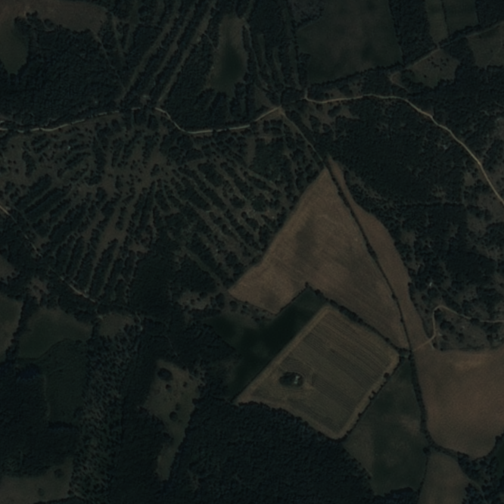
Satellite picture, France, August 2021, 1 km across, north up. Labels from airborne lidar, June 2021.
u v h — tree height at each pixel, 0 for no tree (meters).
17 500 0
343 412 0
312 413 0
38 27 10
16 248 10
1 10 0
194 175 11
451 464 0
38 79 11
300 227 0
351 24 0
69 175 0
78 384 0
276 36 9
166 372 14
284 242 0
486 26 11
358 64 0
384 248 0
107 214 11
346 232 0
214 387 15
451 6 0
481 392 0
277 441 14
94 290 12
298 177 9
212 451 9
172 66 8
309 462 14
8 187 10
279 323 0
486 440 0
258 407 14
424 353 0
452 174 9
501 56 0
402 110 12
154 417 6
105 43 6
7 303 0
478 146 10
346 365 0
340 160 10
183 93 9
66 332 0
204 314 9
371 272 0
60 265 13
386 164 12
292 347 0
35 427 23
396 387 0
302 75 9
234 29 0
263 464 12
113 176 7
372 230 0
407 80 6
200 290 10
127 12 12
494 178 0
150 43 11
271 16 12
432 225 10
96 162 8
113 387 10
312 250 0
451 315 0
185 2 11
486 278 8
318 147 12
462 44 12
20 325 7
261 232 9
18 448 11
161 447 15
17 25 12
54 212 11
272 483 17
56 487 0
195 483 6
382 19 0
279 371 0
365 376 0
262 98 0
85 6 0
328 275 0
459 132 6
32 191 12
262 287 0
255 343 0
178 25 7
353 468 10
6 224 8
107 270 11
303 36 0
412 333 0
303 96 9
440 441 0
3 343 0
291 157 9
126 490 15
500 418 0
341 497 11
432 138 10
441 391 0
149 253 9
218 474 15
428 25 13
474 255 10
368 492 11
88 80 8
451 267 15
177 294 9
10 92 12
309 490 15
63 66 11
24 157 8
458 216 11
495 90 10
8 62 0
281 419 11
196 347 12
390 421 0
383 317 0
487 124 7
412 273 7
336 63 0
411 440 0
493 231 10
